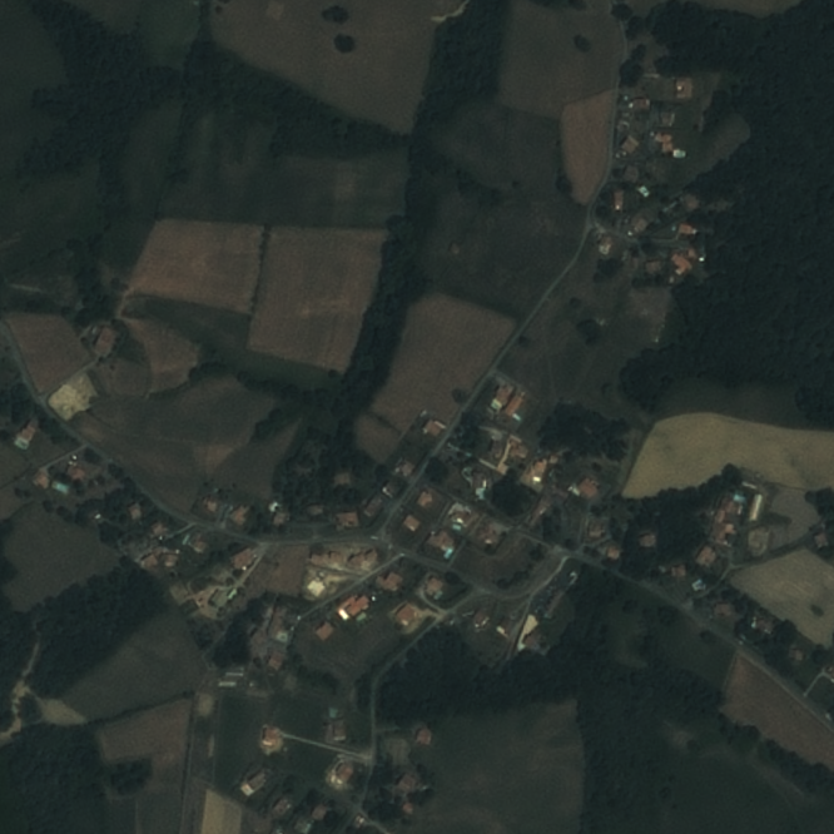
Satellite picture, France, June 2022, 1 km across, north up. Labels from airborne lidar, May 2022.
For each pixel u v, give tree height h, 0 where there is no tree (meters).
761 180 14
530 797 0
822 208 24
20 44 0
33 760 8
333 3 0
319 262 0
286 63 0
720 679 0
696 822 0
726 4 0
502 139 0
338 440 10
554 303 0
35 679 12
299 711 0
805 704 0
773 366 23
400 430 0
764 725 0
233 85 13
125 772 7
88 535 0
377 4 0
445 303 0
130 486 10
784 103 19
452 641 20
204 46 15
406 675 19
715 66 20
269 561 0
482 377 0
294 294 0
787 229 17
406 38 0
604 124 0
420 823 0
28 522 0
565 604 0
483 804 0
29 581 0
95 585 17
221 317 0
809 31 28
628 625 0
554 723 0
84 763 16
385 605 0
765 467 0
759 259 24
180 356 0
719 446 0
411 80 0
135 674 0
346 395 10
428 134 12
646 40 0
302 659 7
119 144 13
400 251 26
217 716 0
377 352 23
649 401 21
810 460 0
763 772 0
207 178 0
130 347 0
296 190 0
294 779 9
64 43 13
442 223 0
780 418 0
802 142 21
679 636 0
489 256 0
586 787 5
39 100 14
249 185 0
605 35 0
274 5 0
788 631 13
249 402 0
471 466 8
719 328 22
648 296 0
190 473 0
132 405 0
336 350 0
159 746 0
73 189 0
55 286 0
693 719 8
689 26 25
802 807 0
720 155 0
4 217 0
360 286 0
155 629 0
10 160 0
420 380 0
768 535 0
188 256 0
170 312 0
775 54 22
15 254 0
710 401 0
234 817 0
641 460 0
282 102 15
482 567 0
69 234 0
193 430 0
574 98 0
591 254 0
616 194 0
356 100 0
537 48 0
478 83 17
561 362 0
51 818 9
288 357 0
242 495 0
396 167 0
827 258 26
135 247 0
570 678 22
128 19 0
